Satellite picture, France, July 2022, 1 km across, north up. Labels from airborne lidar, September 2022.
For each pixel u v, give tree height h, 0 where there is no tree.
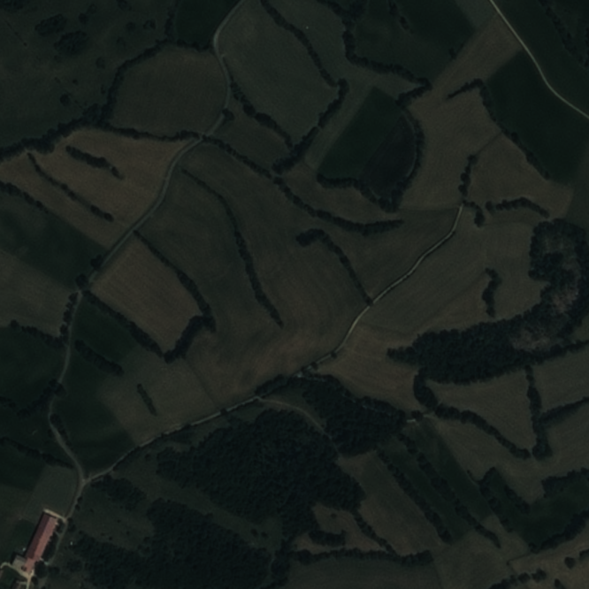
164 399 0
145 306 0
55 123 0
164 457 8
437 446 0
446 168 0
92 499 0
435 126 0
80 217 0
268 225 0
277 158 0
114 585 7
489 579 0
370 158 0
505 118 0
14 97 0
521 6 0
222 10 0
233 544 7
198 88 0
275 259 0
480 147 0
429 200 0
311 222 0
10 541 0
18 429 0
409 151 0
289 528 7
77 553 6
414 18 0
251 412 0
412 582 0
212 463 20
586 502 0
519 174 0
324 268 0
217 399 0
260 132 0
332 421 8
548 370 0
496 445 0
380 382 0
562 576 0
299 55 0
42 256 0
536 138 0
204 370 0
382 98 0
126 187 0
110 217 12
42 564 16
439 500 0
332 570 0
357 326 0
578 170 0
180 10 0
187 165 0
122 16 0
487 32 0
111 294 0
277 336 0
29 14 0
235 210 0
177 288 0
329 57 0
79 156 10
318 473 24
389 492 0
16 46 0
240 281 0
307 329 0
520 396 0
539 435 13
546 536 0
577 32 0
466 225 0
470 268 0
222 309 0
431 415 0
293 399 0
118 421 0
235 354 0
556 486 17
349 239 0
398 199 17
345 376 0
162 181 0
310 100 0
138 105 0
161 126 0
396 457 0
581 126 0
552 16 13
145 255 0
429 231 0
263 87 0
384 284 0
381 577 0
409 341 0
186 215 0
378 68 16
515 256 0
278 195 0
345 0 0
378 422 14
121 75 9
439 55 0
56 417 14
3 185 19
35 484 0
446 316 0
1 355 0
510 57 0
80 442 0
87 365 0
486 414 0
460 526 0
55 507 0
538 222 0
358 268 0
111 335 0
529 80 0
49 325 0
